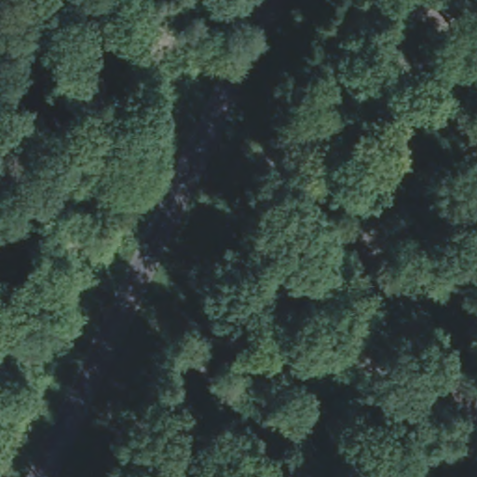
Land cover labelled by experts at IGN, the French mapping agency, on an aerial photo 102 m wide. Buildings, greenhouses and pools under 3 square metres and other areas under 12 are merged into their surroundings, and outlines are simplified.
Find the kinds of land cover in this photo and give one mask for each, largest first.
<instances>
[{"label":"deciduous trees","instance_id":"1","mask_svg":"<svg viewBox=\"0 0 477 477\"><path fill-rule=\"evenodd\" d=\"M261 4V0H0V477H17L19 471L11 468V462L17 453V447L24 442L30 423L35 417L41 416L47 408L45 389L52 386L54 380L52 376L47 375L45 365L54 356H61L67 348L73 347V339L80 335L82 326L86 324L80 313V294L97 285L93 276L102 265H110L116 255H121L127 261L134 257L138 244L134 231L140 216L157 205L170 186L175 155L173 106L177 101L173 82L179 76L186 75L222 76L233 82L242 80V76L248 73L252 61L257 60L266 50L265 35L259 28L250 26V20L246 19V15L252 13L253 7ZM283 78L287 82L279 84L274 91V97L285 99L287 108L294 114L293 125L287 129V134L283 138L268 140L263 145L252 143V147L237 140L229 147V155L218 162V168L212 175L216 194L199 196V203H205L207 209L196 212L190 218V222L184 225L181 246L183 274L179 279L177 293L171 298L155 302L153 306H147L153 315L149 324L145 326L140 330L143 356L142 360L136 363V367L142 371V382L130 395H125V402L119 412L129 429V443L119 451V457L108 477H477V0H343V4L335 11V19L332 20L330 28L319 30V34L313 37V52L309 48H300L287 56V73H283Z\"/></svg>","mask_w":477,"mask_h":477},{"label":"impervious surface","instance_id":"2","mask_svg":"<svg viewBox=\"0 0 477 477\"><path fill-rule=\"evenodd\" d=\"M343 4V0H261V4L253 7L252 13L246 15V19L250 20V26L259 28L265 35L266 50L257 60L252 61L248 73L242 76V80L233 82L222 76L186 75L179 76L173 82L177 101L173 106L175 155L170 186L157 205L140 216L134 231L138 244L134 257L127 261L121 255H116L110 265H102L93 276L97 285L80 294V313L86 324L82 326L80 335L73 339V347L67 348L61 356H54L45 365L47 375L52 376L54 380L52 386L45 389L47 408L41 416L35 417L30 423L24 442L17 447V453L11 462V468L19 471L17 477H65L60 468L67 458L71 457L73 443L80 438H88L91 429L97 427V412L102 404L97 401V389L104 386L106 350H112L125 341L127 328H136L140 322L145 326L149 324L153 315L147 306H153L155 302L171 298L177 293L179 279L183 274L181 246L184 225L190 222V218L196 212L207 209L205 203H199V196L216 194L212 175L218 168V162L229 155V147L237 140L252 147V143L263 145L268 140L283 138L287 134V129L293 125L294 114L287 108L285 99L274 97V91L279 84L287 82L283 78V73H287V56L300 48H309L313 52V37L319 34V30L330 28L332 20L335 19V11Z\"/></svg>","mask_w":477,"mask_h":477},{"label":"herbaceous vegetation","instance_id":"3","mask_svg":"<svg viewBox=\"0 0 477 477\"><path fill-rule=\"evenodd\" d=\"M145 326L140 322L136 328H127L125 341L112 350H106L104 386L97 389V401L102 404L97 412V427L91 429L88 438H80L73 443L71 457L67 458L60 468L65 477H108L119 457V451L129 443V429L119 412L125 402V395H130L142 382V371L136 367V363L142 360L143 356L140 330Z\"/></svg>","mask_w":477,"mask_h":477}]
</instances>
